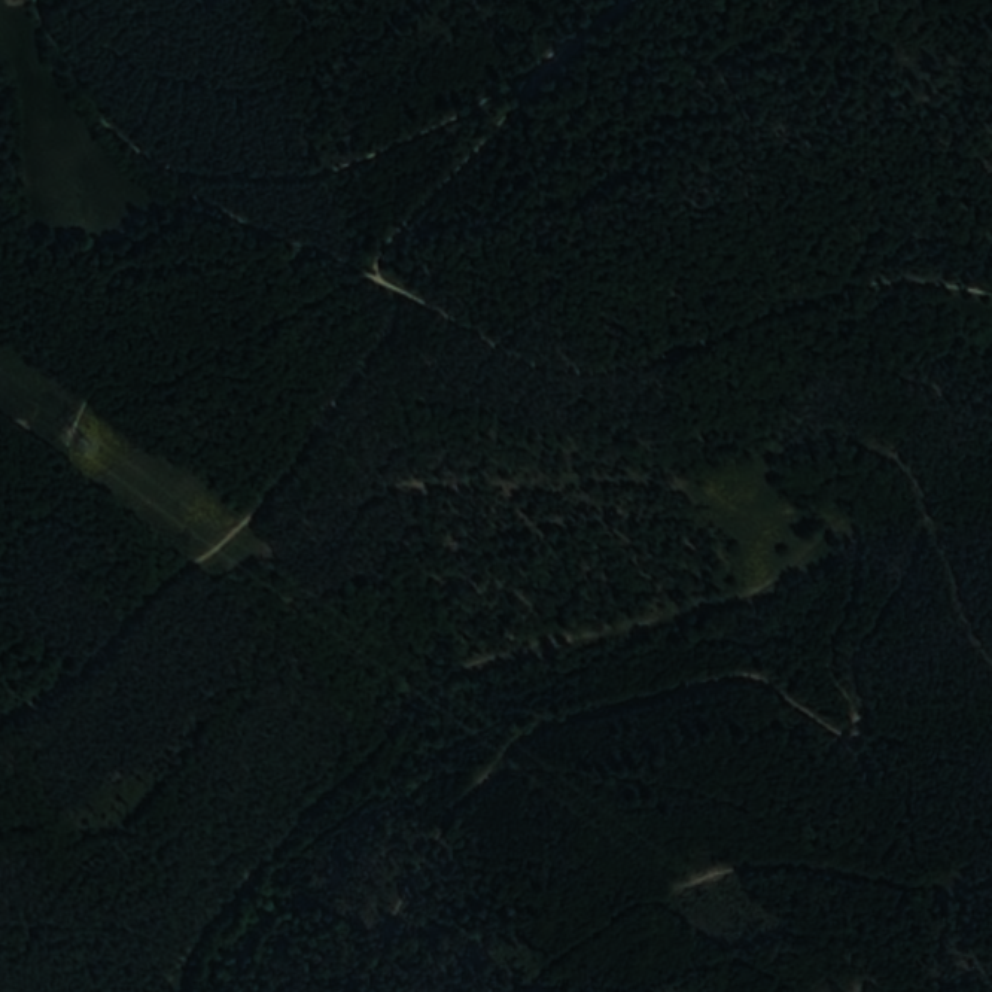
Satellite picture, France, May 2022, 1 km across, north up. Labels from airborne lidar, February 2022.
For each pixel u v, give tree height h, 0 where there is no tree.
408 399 23
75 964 24
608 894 7
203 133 26
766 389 25
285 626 26
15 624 20
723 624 26
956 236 28
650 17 36
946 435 24
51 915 24
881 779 31
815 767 24
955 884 0
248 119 24
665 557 25
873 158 26
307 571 27
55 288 27
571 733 14
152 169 20
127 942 26
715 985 10
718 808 18
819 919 27
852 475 32
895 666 18
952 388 26
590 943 14
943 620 24
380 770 19
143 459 0
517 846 15
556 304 22
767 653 21
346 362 18
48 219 0
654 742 15
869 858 20
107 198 0
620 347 21
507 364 19
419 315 19
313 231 23
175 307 27
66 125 0
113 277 25
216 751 26
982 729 23
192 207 29
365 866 34
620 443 17
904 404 27
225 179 27
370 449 19
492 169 15
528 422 21
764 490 0
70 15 28
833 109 26
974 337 16
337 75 35
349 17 38
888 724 24
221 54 24
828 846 25
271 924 29
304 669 23
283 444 25
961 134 30
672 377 22
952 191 30
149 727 26
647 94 32
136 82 26
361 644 31
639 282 25
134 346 24
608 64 35
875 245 29
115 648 25
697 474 7
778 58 9
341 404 19
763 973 8
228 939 27
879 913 21
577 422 23
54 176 0
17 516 25
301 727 28
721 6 18
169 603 24
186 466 12
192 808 26
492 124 34
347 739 19
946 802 26
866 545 22
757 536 0
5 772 23
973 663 23
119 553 28
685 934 21
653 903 14
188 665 26
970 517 21
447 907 10
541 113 33
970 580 13
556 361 20
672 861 21
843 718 26
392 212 12
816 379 30
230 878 22
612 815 17
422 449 24
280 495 24
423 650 29
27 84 0
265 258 28
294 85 14
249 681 21
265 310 25
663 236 26
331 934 29
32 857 26
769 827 18
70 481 21
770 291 27
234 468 25
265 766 25
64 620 27
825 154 27
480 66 15
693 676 12
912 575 20
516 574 28
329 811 22
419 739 7
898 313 26
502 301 15
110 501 26
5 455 18
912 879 29
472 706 15
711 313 23
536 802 12
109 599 26
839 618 19
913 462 29
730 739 11
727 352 23
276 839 23
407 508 26
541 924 31
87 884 17
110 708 26
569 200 12
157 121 27
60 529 26
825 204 27
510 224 26
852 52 30
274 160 25
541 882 11
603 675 12
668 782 15
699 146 29
